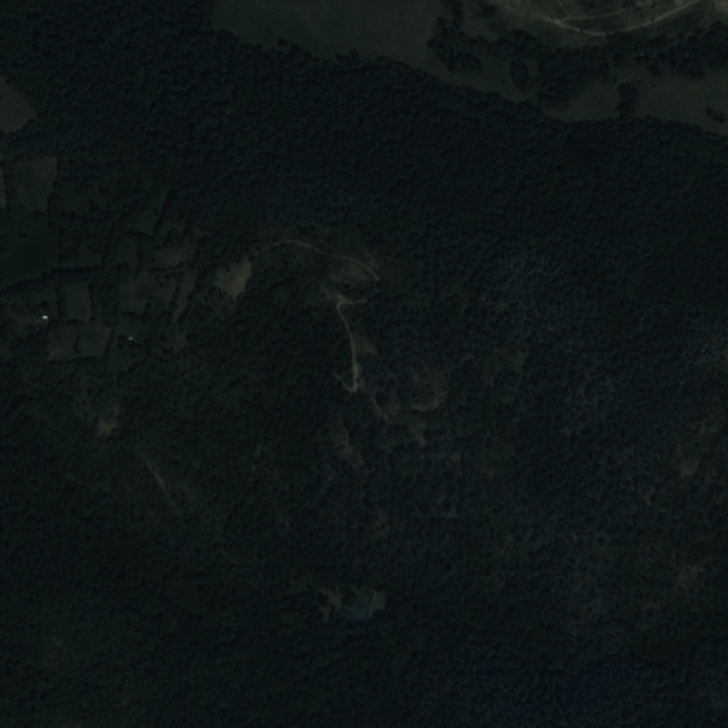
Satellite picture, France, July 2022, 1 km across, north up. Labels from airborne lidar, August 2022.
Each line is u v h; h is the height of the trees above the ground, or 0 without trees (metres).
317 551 19
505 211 24
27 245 0
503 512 13
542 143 20
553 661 28
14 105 0
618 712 10
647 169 18
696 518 6
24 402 18
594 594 17
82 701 20
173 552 7
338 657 17
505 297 15
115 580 18
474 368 13
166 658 14
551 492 16
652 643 10
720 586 19
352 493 11
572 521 12
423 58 0
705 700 9
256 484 13
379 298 9
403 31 0
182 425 10
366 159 26
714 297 15
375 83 17
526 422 14
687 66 20
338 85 19
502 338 13
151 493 9
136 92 26
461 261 15
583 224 19
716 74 0
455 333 10
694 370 12
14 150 15
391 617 24
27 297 12
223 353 6
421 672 17
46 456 25
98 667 20
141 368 11
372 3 0
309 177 15
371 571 25
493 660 29
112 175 16
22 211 15
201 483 12
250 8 0
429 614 21
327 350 14
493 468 7
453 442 10
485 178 24
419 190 19
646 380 11
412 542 13
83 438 9
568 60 22
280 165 17
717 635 9
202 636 14
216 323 10
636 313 9
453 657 19
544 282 14
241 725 28
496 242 16
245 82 30
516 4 0
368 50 0
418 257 14
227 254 9
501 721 26
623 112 18
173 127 28
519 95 0
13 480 23
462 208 19
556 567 17
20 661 15
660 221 17
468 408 14
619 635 24
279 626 21
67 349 0
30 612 22
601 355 14
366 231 7
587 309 14
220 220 15
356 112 22
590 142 17
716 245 17
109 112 23
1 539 25
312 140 18
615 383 13
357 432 16
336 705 27
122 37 23
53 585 21
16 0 18
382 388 9
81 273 15
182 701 21
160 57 19
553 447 11
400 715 31
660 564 12
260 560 12
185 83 24
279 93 29
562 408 16
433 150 23
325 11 0
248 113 25
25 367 15
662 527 8
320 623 23
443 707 15
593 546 8
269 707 26
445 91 23
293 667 21
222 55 23
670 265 16
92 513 17
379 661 23
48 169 0
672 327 9
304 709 20
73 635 12
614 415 14
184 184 18
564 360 15
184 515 6
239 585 7
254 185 24
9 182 16
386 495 17
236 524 13
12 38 19
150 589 13
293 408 17
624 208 21
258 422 14
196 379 11
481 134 25
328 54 0
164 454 12
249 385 16
